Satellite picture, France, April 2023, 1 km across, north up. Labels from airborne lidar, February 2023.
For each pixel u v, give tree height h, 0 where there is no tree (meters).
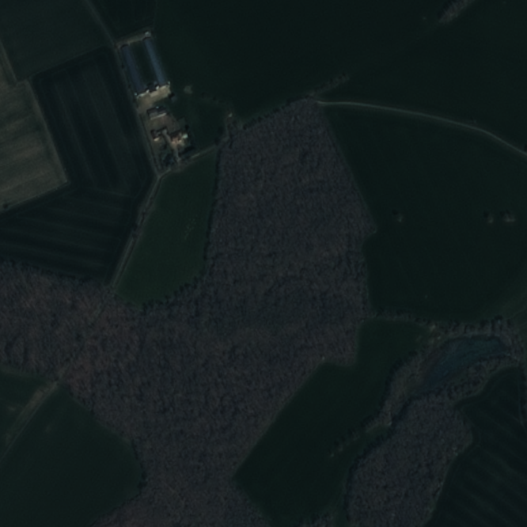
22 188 0
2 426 0
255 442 21
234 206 20
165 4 0
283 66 0
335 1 0
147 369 20
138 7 0
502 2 0
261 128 16
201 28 0
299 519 0
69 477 0
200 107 0
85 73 0
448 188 0
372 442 0
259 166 20
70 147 0
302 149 19
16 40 0
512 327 19
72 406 0
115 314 21
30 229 0
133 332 21
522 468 0
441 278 0
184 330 23
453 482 0
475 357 0
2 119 0
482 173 0
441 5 0
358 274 7
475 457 0
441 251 0
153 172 0
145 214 10
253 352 23
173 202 0
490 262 0
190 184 0
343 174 19
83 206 0
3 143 0
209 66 0
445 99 0
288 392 20
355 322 19
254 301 23
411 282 0
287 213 22
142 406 24
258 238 21
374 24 0
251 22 0
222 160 17
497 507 0
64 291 18
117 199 0
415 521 22
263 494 0
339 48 0
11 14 0
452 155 0
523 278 0
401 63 0
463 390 17
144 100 0
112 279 0
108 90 0
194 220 0
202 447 22
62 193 0
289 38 0
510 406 0
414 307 0
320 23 0
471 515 0
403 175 0
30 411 0
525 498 0
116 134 0
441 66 0
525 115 0
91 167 0
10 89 0
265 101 0
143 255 0
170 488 22
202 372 23
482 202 0
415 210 0
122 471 0
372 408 0
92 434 0
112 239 0
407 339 0
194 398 24
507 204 0
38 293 24
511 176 0
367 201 0
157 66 0
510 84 0
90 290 19
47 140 0
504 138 0
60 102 0
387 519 20
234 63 0
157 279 0
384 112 0
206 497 21
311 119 18
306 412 0
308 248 24
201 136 0
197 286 17
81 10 0
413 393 0
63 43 0
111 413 20
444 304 0
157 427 21
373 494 23
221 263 20
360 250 17
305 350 19
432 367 0
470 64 0
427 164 0
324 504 0
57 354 25
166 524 9
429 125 0
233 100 0
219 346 24
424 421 24
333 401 0
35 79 0
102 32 0
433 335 0
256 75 0
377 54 0
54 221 0
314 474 0
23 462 0
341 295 25
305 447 0
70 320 23
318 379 0
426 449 27
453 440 25
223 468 23
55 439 0
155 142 0
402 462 26
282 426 0
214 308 20
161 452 21
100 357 16
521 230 0
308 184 19
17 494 0
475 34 0
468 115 0
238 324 21
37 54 0
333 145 14
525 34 0
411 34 0
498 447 0
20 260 0
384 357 0
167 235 0
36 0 0
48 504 0
